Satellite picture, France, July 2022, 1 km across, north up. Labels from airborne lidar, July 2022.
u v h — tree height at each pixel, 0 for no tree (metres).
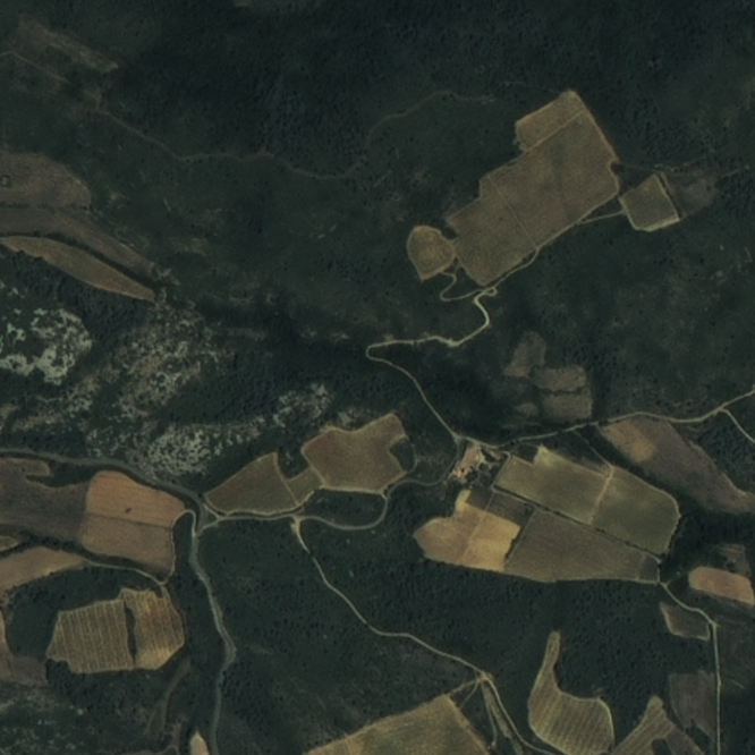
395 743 0
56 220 0
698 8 5
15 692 0
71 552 13
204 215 0
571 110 0
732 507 0
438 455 0
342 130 7
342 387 12
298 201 0
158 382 0
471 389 12
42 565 0
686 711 0
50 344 0
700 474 0
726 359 8
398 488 6
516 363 0
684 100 0
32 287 11
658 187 0
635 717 7
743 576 0
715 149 8
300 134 7
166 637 0
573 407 0
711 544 12
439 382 16
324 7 9
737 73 0
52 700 0
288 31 7
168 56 8
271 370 6
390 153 9
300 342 6
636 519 0
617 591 6
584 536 0
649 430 0
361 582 7
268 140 8
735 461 10
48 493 0
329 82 7
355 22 6
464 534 0
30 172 0
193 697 8
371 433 0
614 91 7
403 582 14
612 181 0
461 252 0
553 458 0
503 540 0
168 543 0
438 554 0
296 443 9
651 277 0
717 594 0
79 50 0
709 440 11
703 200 0
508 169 0
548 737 0
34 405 8
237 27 8
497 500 0
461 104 0
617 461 9
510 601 8
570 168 0
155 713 0
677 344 0
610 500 0
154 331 0
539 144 0
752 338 0
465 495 0
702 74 0
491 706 0
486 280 0
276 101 13
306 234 0
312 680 0
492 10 10
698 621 0
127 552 0
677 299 0
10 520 0
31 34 0
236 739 0
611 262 0
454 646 6
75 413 0
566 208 0
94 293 8
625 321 0
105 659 0
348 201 0
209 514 0
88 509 0
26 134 0
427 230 0
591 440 12
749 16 6
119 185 0
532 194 0
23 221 0
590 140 0
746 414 8
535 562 0
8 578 0
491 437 7
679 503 10
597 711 0
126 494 0
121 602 0
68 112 0
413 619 13
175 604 6
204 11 9
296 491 0
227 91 6
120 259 0
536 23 13
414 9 7
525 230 0
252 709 8
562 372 0
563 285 9
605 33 10
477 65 8
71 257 0
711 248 0
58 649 0
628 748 0
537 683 0
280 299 10
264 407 11
